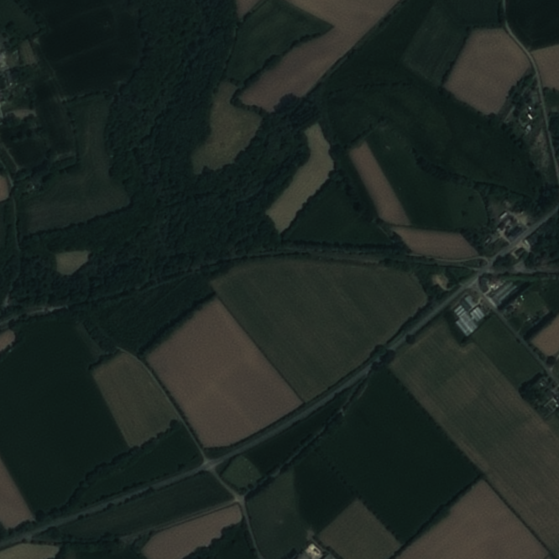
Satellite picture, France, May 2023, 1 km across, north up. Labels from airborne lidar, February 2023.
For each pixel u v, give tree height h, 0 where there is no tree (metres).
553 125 13
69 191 0
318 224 0
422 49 0
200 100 15
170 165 21
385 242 0
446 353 0
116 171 17
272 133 14
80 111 0
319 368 0
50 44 0
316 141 0
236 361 0
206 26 13
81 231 16
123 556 0
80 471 0
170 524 0
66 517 12
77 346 0
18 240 11
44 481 0
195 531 0
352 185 0
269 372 0
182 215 13
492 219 10
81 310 14
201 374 0
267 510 0
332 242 0
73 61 0
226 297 0
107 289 20
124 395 0
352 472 0
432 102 0
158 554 0
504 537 0
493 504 0
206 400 0
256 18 0
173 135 18
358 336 0
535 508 0
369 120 0
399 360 0
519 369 0
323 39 0
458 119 0
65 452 0
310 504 0
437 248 0
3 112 0
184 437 0
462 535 0
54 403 0
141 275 19
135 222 16
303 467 0
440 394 0
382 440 0
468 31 7
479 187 14
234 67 0
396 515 0
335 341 0
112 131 15
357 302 0
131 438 0
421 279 15
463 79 0
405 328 11
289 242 11
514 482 0
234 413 0
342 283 0
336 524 0
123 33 0
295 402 0
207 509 0
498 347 0
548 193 22
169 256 6
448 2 0
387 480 0
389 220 0
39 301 17
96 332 19
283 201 0
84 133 0
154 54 17
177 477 0
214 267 9
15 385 0
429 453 0
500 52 0
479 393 0
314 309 0
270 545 0
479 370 0
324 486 0
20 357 0
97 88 0
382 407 0
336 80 0
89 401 0
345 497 0
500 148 0
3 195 0
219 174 9
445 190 0
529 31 0
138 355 8
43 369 0
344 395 7
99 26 0
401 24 0
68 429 0
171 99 9
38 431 0
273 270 0
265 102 0
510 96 10
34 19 9
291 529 0
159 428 0
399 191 0
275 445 0
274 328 0
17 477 0
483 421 0
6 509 0
